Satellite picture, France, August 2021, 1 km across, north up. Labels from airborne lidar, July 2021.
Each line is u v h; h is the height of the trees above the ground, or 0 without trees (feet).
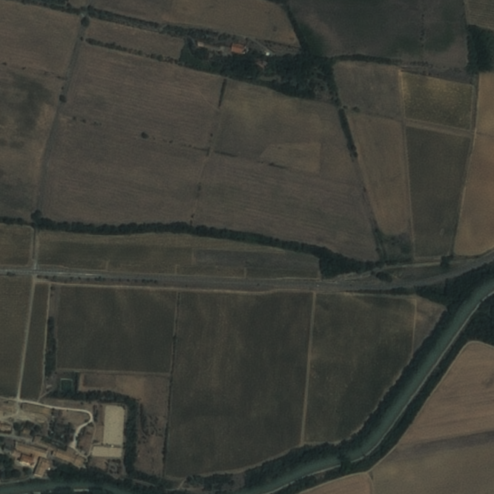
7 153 0
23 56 0
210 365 0
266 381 0
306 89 30
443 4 0
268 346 0
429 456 0
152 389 0
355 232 0
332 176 0
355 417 0
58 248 0
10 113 0
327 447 57
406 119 0
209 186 0
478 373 0
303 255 0
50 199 0
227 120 0
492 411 0
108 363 0
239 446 0
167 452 24
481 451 0
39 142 0
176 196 0
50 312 0
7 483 0
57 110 0
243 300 0
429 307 0
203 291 0
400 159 0
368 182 0
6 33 0
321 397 0
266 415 0
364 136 0
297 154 0
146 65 0
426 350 59
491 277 61
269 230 0
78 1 0
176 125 0
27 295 0
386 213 0
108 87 0
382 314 0
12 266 0
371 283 0
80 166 0
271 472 20
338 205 0
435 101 0
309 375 0
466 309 0
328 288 0
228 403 0
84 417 0
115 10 0
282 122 0
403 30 0
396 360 0
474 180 0
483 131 0
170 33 28
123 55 0
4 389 0
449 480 0
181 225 49
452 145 0
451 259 32
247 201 0
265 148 0
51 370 50
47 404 0
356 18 0
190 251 0
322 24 0
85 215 0
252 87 0
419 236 0
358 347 0
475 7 0
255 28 0
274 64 48
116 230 55
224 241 0
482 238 0
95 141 0
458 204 0
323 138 0
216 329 0
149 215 0
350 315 0
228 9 0
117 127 0
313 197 0
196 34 19
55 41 0
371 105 0
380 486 0
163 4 0
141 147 0
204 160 0
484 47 34
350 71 0
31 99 0
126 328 0
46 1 51
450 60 0
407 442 0
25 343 0
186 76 0
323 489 0
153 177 0
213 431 0
